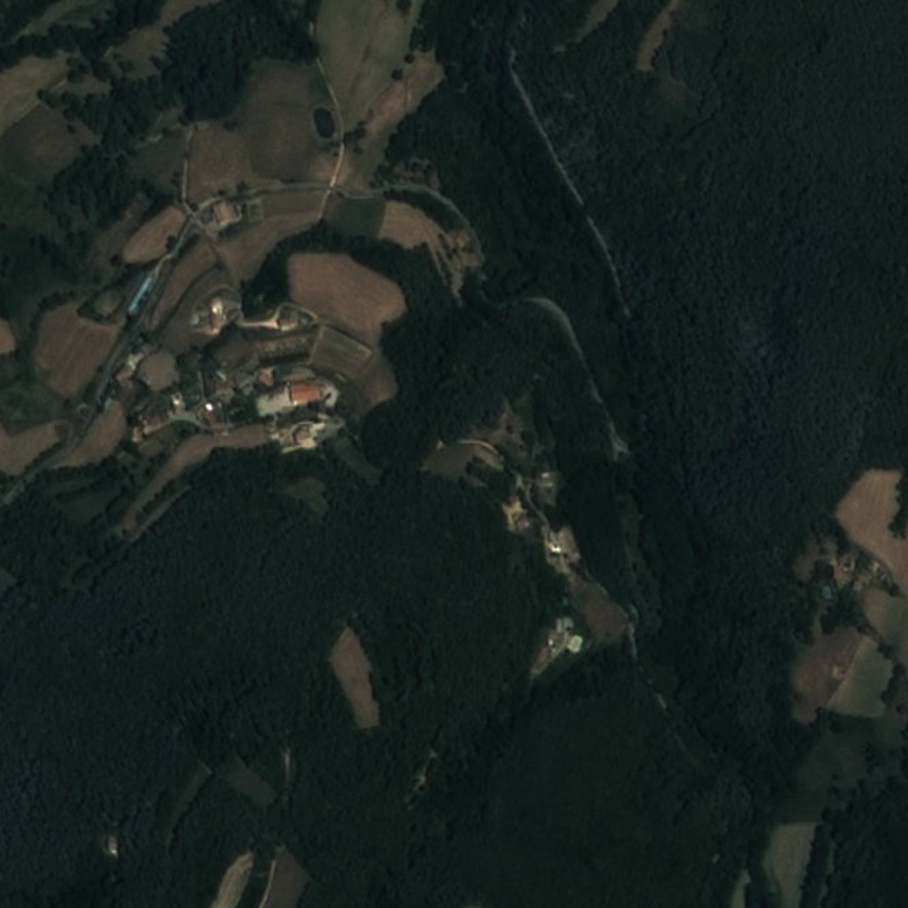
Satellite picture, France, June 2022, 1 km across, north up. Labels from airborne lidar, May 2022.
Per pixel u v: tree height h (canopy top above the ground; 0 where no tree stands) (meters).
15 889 20
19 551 16
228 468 18
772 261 16
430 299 13
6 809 19
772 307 10
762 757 19
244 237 0
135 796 17
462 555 22
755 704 17
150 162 0
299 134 0
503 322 15
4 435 0
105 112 14
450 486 18
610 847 14
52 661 23
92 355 0
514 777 18
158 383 0
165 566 17
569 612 9
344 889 22
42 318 7
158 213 7
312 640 17
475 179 16
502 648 14
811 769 0
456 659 19
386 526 21
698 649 27
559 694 26
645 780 18
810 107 22
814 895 23
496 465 0
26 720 19
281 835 18
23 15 12
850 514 0
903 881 11
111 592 21
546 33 14
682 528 12
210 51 15
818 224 23
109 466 17
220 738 16
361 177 0
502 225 7
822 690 0
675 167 14
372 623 20
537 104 12
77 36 18
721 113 16
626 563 12
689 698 23
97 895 15
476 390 20
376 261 14
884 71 15
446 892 18
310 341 0
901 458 14
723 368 13
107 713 20
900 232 25
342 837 23
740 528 13
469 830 16
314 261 0
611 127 11
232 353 0
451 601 23
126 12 27
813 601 8
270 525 15
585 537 18
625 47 16
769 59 18
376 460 15
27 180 0
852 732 0
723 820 13
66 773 15
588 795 13
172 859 17
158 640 20
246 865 0
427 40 14
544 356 11
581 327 20
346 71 0
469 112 18
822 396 15
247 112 0
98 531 16
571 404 13
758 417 14
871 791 14
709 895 15
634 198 15
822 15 17
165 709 18
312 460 12
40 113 0
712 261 11
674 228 22
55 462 0
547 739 17
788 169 16
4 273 15
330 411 8
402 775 14
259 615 17
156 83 16
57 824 17
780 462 24
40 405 0
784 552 18
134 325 12
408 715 20
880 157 21
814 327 19
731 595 13
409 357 17
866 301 26
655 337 25
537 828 14
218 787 20
